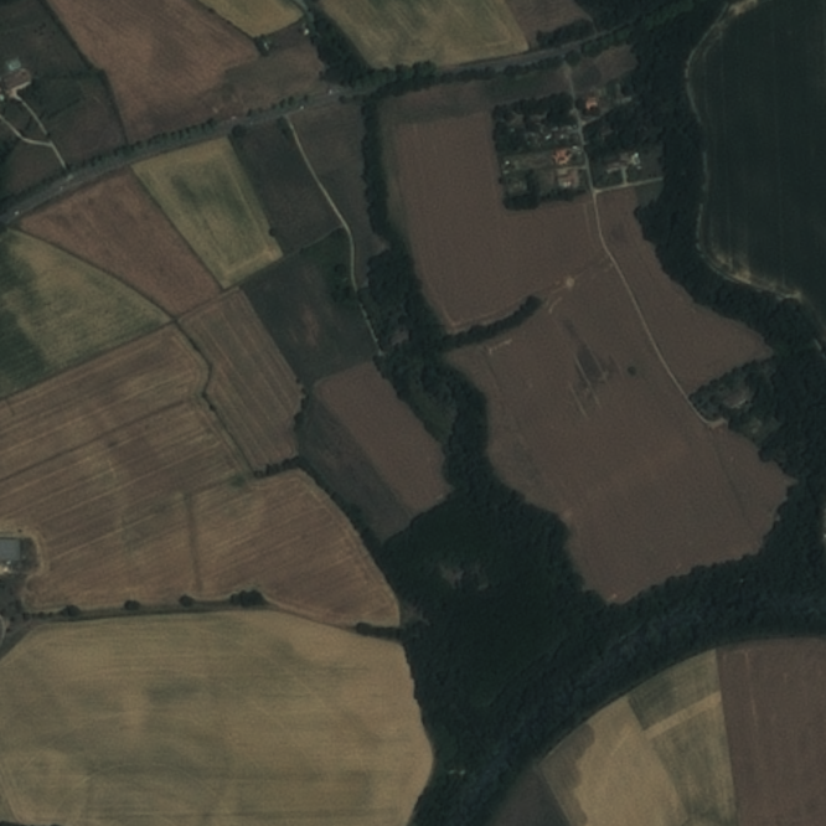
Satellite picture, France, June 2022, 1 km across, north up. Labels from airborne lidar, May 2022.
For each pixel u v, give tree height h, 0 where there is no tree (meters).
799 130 0
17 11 0
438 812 13
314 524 0
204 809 0
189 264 0
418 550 15
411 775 0
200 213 0
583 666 32
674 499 0
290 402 0
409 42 0
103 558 0
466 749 11
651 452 0
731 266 0
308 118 0
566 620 16
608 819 0
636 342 0
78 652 0
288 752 0
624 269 0
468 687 13
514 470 0
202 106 0
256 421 0
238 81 0
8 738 0
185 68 0
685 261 21
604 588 0
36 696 0
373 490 0
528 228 0
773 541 10
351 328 0
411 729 0
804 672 0
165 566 0
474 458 20
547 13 0
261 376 0
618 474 0
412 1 0
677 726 0
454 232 0
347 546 0
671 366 0
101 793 0
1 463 0
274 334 0
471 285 0
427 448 0
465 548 13
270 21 0
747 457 0
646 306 0
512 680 11
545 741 14
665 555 0
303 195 0
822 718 0
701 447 0
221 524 0
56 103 0
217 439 0
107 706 0
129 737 0
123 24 0
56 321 0
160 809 0
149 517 0
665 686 0
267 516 0
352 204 0
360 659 0
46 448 0
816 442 17
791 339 15
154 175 0
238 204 0
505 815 0
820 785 0
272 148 0
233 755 0
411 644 13
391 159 0
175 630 0
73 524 0
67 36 8
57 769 0
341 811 0
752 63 0
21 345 0
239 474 0
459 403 15
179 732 0
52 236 0
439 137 0
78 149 0
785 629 16
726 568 15
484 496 23
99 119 0
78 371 0
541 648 10
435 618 14
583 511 0
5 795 0
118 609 0
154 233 0
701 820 0
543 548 23
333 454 0
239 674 0
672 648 20
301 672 0
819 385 21
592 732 0
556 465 0
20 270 0
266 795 0
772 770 0
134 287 0
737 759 0
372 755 0
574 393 0
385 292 22
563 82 0
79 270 0
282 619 0
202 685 0
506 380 0
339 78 13
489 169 0
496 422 0
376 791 0
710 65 0
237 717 0
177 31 0
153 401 0
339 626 0
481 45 0
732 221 0
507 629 20
